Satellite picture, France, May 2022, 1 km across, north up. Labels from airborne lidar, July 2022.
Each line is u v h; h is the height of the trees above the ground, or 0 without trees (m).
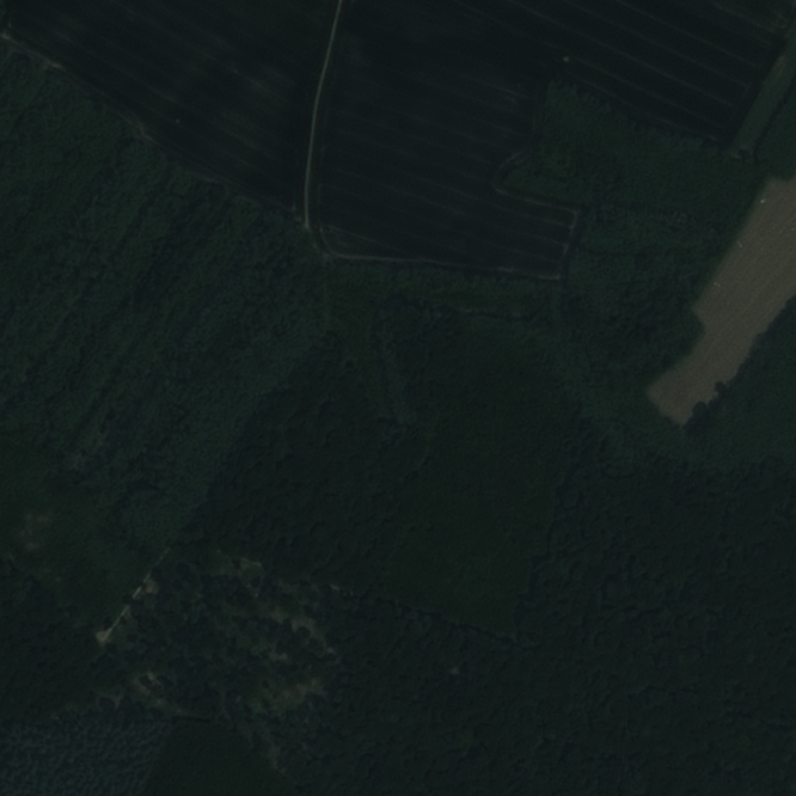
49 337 27
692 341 23
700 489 29
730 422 19
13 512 5
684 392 0
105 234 28
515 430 11
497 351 14
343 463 27
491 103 0
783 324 18
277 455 35
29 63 23
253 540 29
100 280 25
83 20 0
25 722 26
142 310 26
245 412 28
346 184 0
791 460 23
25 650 29
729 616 27
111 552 7
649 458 22
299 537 26
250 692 29
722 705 24
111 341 24
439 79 0
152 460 27
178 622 29
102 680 33
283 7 0
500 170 0
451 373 12
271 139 0
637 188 12
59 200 12
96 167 15
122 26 0
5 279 16
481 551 9
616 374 31
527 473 11
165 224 19
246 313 30
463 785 30
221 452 25
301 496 29
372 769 25
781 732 27
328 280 18
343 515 25
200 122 0
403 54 0
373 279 22
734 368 0
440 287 24
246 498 31
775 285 0
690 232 27
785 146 20
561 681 26
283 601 32
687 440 19
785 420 22
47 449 24
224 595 26
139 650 28
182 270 22
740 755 27
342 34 0
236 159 0
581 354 16
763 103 0
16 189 17
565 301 24
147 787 17
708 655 27
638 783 29
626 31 0
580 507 25
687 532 26
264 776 16
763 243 0
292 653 28
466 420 10
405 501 28
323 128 0
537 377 14
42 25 0
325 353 25
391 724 29
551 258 0
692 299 21
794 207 0
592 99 18
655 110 0
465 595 11
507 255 0
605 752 23
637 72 0
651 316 21
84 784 35
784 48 0
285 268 22
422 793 31
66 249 31
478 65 0
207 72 0
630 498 23
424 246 0
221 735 14
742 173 11
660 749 27
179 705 26
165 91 0
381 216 0
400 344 30
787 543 29
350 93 0
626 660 29
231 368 30
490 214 0
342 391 31
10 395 25
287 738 30
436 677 28
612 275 29
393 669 28
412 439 25
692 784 28
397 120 0
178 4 0
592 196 11
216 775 16
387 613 28
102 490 30
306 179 0
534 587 24
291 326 27
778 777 30
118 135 11
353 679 28
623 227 30
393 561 8
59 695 28
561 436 10
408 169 0
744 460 23
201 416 28
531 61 0
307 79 0
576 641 27
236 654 31
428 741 31
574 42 0
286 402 33
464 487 10
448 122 0
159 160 23
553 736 29
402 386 27
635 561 27
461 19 0
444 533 9
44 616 28
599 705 27
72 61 0
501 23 0
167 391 30
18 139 21
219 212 12
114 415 17
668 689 25
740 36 0
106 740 30
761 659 30
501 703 21
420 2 0
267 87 0
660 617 30
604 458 21
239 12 0
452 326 25
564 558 23
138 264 24
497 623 10
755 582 32
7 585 29
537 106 0
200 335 31
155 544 25
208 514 29
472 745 9
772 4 0
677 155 10
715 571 26
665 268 32
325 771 27
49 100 25
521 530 10
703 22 0
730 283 0
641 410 15
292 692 0
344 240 0
